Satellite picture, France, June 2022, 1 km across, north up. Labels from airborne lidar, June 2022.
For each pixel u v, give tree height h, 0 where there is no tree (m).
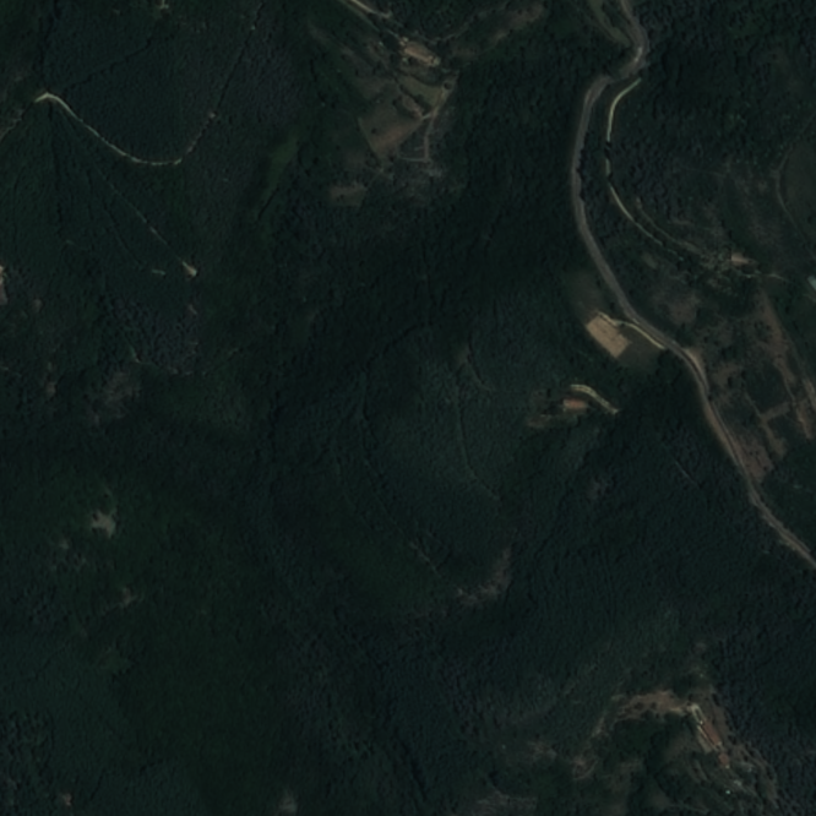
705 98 14
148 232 13
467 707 16
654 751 14
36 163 10
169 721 17
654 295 0
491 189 10
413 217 15
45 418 18
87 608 17
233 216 19
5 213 12
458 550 21
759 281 8
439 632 16
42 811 24
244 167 18
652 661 8
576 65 7
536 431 6
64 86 25
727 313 6
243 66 21
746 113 9
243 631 18
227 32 20
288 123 20
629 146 11
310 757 15
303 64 22
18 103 9
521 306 12
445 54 12
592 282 0
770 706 14
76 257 26
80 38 26
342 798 34
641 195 16
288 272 11
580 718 8
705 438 16
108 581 13
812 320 0
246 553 13
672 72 24
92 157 12
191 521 17
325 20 8
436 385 10
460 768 30
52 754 16
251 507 24
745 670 20
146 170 11
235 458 14
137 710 20
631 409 11
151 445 17
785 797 17
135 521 15
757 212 0
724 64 7
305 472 16
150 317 22
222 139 18
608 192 8
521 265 12
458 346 10
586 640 21
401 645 17
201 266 14
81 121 10
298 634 22
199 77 20
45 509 14
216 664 16
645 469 27
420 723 31
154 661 19
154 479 18
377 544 17
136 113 12
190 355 16
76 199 13
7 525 15
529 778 9
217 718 18
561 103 11
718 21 19
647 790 14
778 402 0
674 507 25
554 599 27
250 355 22
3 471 20
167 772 28
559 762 8
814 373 0
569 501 28
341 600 19
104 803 25
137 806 30
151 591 15
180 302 11
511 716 9
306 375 10
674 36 8
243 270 17
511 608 23
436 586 12
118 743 10
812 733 13
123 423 15
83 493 10
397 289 11
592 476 14
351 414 19
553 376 14
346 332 7
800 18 12
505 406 11
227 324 18
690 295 0
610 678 7
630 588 23
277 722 20
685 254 9
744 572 24
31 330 14
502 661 24
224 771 22
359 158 0
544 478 25
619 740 12
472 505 23
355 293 11
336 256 17
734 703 14
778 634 23
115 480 18
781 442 0
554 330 8
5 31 17
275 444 23
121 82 28
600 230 8
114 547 14
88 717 16
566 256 8
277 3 18
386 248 24
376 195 9
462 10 6
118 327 15
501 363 9
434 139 0
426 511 23
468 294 14
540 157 11
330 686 12
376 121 0
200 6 17
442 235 11
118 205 14
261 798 13
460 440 7
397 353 16
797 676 22
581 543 25
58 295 10
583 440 11
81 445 21
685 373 10
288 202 10
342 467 16
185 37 15
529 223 8
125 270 17
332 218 20
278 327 14
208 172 17
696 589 22
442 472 8
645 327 0
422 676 32
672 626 10
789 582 16
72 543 9
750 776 9
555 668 18
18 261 11
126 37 14
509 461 10
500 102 10
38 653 17
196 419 13
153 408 14
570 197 10
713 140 6
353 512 15
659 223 8
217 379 15
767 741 18
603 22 0
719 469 23
